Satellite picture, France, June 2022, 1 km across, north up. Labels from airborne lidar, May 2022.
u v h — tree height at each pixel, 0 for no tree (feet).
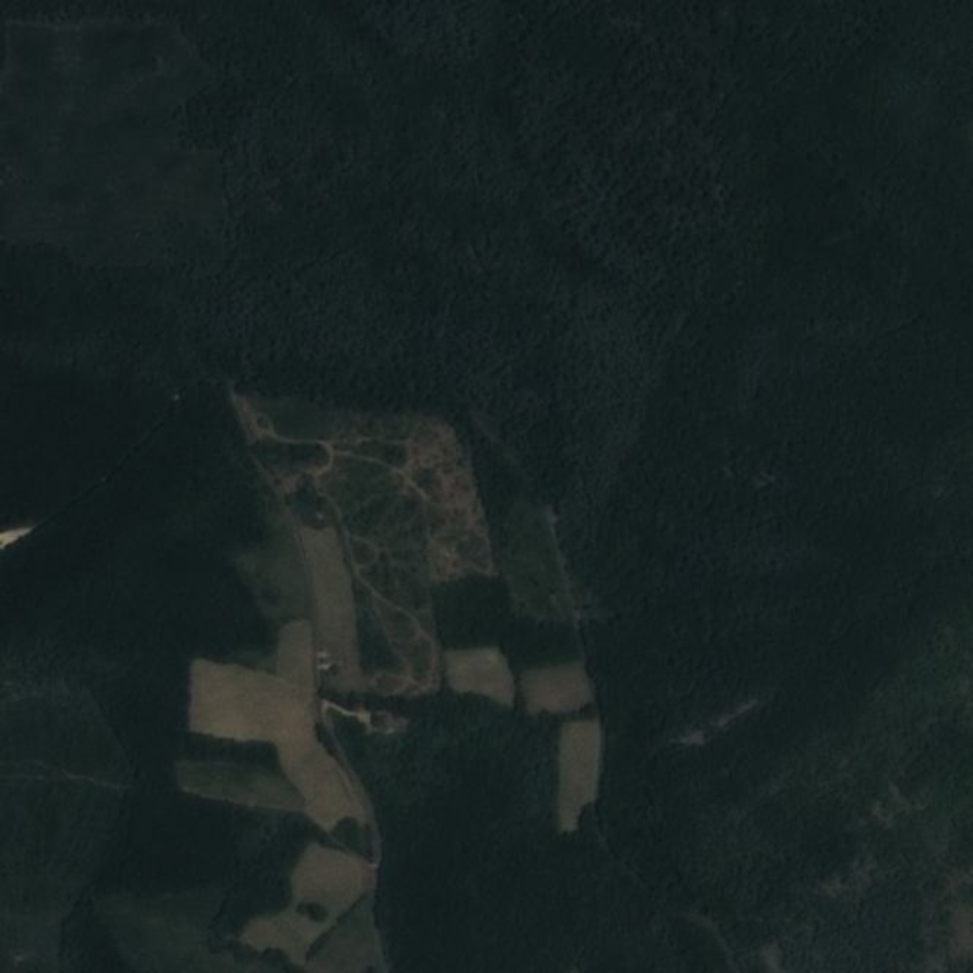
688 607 56
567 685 0
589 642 59
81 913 47
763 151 83
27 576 47
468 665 0
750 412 28
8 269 47
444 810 35
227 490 22
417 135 45
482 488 56
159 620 32
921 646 23
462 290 46
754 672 45
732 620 27
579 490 45
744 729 29
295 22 61
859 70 31
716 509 57
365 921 0
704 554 25
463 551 23
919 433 20
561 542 26
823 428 49
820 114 43
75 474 44
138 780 35
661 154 35
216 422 66
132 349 49
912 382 47
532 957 32
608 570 54
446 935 56
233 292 52
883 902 32
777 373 37
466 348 44
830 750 19
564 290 80
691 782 33
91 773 0
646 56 48
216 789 0
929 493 30
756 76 72
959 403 38
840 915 33
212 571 30
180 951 0
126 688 35
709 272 56
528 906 34
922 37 42
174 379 36
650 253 62
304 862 0
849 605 25
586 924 31
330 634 0
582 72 52
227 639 30
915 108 29
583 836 42
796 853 53
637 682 66
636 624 67
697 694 26
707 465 62
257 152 78
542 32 32
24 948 0
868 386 45
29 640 46
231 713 0
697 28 50
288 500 24
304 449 39
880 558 32
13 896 0
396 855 34
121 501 45
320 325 47
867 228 38
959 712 32
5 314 45
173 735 41
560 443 46
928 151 24
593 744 0
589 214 82
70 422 62
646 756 31
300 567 0
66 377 49
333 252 33
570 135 42
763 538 32
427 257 57
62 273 47
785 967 25
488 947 48
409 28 89
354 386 61
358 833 21
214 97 47
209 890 48
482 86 60
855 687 23
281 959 45
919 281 39
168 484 54
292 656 0
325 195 28
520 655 43
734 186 70
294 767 0
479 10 84
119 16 39
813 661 31
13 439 46
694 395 76
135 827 55
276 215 27
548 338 49
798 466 76
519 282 30
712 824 22
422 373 43
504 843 58
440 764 40
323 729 31
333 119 36
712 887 30
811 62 62
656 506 42
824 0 31
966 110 40
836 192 26
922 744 24
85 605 43
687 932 44
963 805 23
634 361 79
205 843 55
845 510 55
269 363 39
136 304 48
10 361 37
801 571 27
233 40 37
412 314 50
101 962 44
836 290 33
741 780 34
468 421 58
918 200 28
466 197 65
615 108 38
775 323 42
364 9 54
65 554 50
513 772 38
